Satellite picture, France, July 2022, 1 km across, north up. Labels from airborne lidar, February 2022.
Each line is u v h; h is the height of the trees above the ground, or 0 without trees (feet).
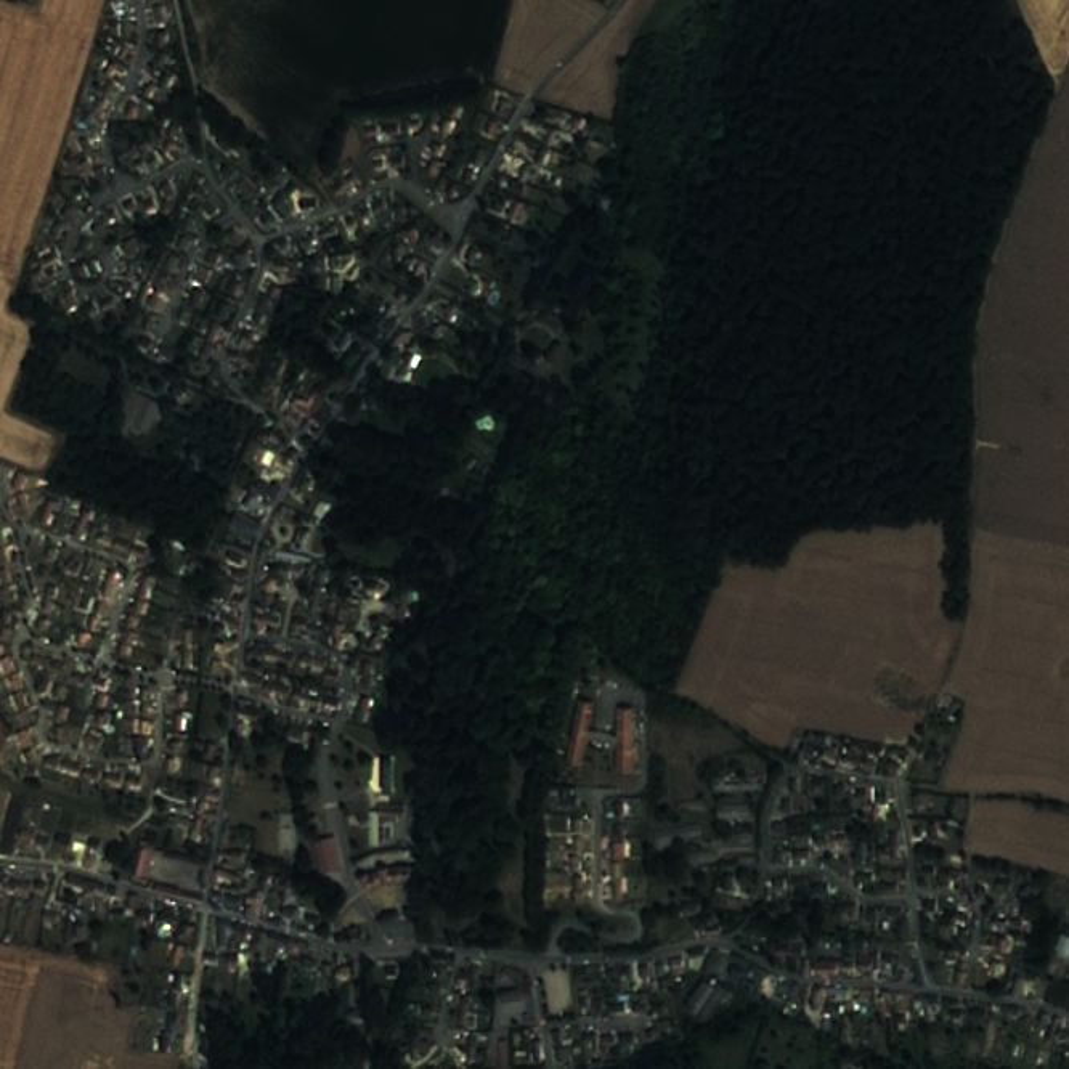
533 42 0
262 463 0
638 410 27
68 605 0
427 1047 0
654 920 36
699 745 0
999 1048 0
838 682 0
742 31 40
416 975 22
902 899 0
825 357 61
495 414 38
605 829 0
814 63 70
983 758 0
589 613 64
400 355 27
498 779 84
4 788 0
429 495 82
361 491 97
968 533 41
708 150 20
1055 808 34
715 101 41
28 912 0
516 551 90
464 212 0
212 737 0
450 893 87
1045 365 0
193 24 27
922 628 0
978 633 0
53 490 19
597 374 35
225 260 30
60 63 0
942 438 76
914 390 89
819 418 71
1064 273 0
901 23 78
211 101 51
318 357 61
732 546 61
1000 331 0
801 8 58
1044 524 0
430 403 81
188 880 0
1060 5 0
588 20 0
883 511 64
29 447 0
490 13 0
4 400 0
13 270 0
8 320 0
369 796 0
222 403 35
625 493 51
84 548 0
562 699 68
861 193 84
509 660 84
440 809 94
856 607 0
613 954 30
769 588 0
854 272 85
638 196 31
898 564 0
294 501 0
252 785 0
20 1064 0
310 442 22
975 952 0
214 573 25
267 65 0
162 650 0
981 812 0
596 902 0
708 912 43
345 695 0
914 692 0
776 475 77
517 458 81
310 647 0
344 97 0
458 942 62
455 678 92
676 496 59
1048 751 0
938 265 76
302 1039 96
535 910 56
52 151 0
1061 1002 0
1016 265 0
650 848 52
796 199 76
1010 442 0
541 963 0
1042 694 0
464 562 57
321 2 0
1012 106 78
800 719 0
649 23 0
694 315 74
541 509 69
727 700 0
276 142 0
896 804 0
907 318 94
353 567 25
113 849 40
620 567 48
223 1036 80
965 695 0
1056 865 0
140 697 0
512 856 45
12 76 0
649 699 31
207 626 28
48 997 0
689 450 46
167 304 0
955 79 89
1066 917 0
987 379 0
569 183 0
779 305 79
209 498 57
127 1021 0
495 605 102
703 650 0
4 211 0
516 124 0
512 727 78
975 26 68
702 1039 54
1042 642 0
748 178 67
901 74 84
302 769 73
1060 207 0
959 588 45
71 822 0
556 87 0
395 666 0
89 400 28
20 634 0
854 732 0
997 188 81
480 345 33
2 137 0
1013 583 0
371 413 20
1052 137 0
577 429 53
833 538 0
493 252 43
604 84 0
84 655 0
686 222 23
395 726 119
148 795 0
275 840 0
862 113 85
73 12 0
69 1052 0
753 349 62
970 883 0
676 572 51
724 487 80
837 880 0
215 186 0
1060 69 0
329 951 0
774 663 0
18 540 0
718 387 66
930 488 71
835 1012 0
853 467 79
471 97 76
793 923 21
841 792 0
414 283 37
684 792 0
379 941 0
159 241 61
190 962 0
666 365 39
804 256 84
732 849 0
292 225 0
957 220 72
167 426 33
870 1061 22
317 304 36
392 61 0
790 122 70
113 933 0
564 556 61
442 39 0
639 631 44
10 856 0
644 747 0
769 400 81
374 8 0
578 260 0
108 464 32
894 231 83
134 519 66
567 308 68
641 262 0
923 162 83
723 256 65
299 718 0
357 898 0
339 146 62
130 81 0
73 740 0
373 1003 102
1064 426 0
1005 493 0
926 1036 20
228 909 0
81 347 44
